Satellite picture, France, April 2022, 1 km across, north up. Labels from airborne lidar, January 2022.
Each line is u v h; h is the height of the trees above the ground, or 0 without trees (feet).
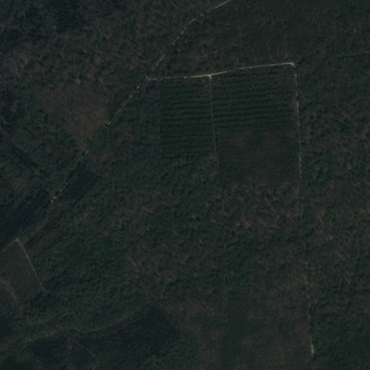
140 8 92
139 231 86
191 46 30
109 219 79
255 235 94
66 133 59
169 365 90
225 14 21
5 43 62
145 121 85
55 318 64
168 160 79
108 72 88
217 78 22
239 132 39
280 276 88
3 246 43
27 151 78
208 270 79
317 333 90
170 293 90
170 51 71
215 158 0
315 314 75
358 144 78
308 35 21
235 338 61
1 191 34
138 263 85
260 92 39
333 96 57
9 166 76
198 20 85
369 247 71
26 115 59
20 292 27
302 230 70
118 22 88
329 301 74
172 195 97
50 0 52
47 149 84
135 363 22
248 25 26
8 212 50
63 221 75
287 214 79
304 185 79
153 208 86
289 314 50
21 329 74
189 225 92
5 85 65
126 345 28
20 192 0
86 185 35
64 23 69
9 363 0
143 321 33
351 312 86
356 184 89
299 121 68
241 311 68
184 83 33
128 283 68
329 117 79
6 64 75
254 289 80
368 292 40
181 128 43
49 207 59
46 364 37
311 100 72
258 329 49
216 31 87
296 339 63
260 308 53
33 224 65
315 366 90
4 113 54
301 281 84
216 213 79
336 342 96
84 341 30
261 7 30
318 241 82
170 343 51
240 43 22
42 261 62
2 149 69
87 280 72
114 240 74
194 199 91
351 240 81
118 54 80
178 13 94
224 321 71
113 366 31
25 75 83
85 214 86
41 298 62
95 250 43
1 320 55
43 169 50
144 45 64
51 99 69
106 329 29
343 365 35
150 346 27
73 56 102
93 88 57
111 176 80
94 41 82
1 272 43
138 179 70
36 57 98
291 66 31
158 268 89
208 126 34
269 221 93
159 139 70
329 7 32
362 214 73
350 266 66
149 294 71
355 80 82
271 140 33
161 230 95
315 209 80
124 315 73
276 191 46
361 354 46
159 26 85
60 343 50
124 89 83
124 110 71
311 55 30
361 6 21
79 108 69
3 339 52
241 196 69
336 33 25
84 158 47
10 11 37
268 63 20
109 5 32
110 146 32
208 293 93
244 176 40
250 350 66
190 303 89
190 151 33
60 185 69
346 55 72
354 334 79
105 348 30
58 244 69
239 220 79
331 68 63
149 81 70
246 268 97
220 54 31
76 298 59
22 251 30
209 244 100
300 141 75
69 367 22
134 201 81
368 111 92
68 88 83
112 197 75
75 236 78
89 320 84
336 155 87
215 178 84
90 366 26
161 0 18
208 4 87
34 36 48
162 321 33
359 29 24
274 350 61
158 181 84
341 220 75
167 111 51
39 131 38
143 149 81
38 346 38
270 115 35
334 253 74
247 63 27
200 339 71
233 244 73
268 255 89
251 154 40
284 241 76
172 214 89
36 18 72
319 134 83
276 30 26
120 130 87
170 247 98
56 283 36
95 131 59
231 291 93
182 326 72
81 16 70
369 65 30
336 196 79
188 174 78
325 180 85
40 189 49
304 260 78
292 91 28
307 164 73
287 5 27
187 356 77
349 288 76
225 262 87
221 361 61
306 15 30
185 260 77
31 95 58
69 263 74
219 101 45
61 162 64
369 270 85
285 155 25
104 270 71
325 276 69
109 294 60
